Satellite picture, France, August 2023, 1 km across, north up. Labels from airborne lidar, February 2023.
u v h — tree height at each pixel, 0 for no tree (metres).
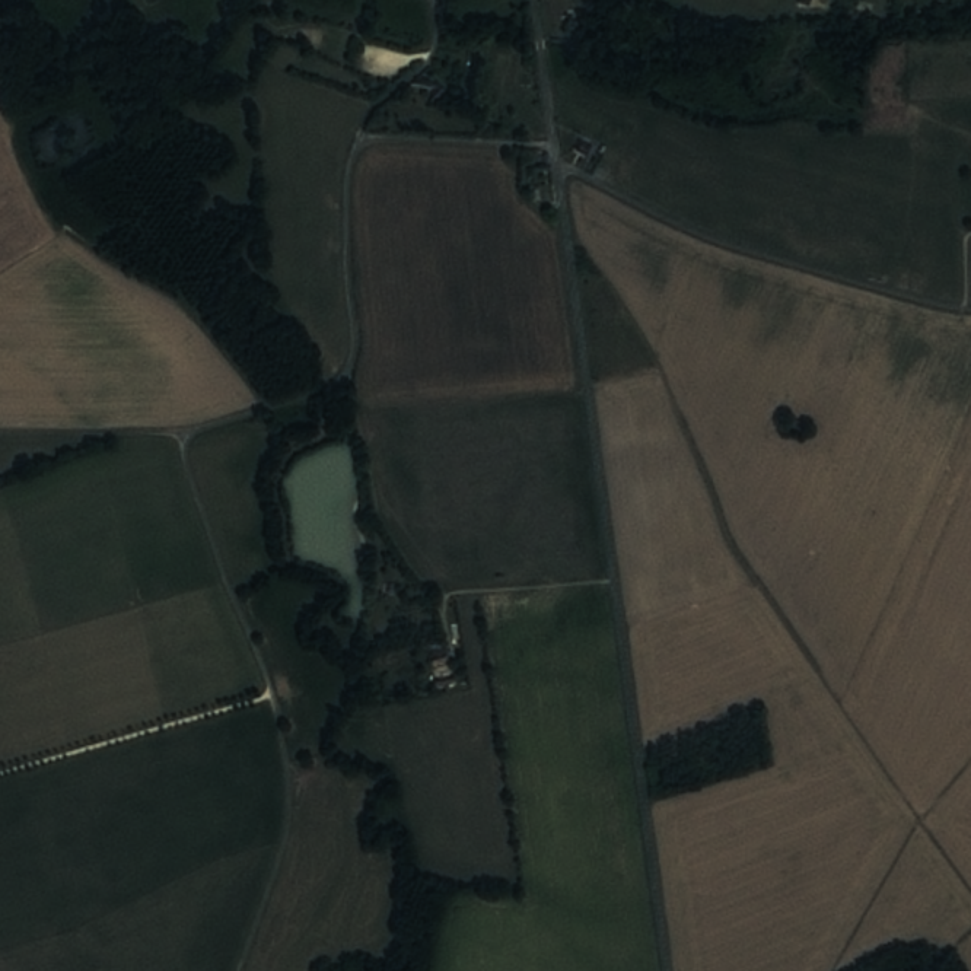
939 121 0
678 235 0
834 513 0
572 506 0
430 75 8
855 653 0
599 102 0
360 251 0
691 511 0
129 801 0
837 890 0
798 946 0
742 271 0
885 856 0
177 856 0
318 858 0
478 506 0
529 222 0
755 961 0
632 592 0
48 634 0
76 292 0
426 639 6
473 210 0
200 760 0
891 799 0
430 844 0
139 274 6
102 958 0
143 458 0
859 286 0
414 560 0
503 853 0
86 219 0
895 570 0
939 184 0
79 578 0
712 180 0
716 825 0
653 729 0
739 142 0
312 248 0
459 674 9
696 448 0
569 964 0
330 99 0
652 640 0
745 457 0
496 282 0
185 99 9
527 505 0
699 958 0
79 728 0
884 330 0
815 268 0
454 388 0
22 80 31
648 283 0
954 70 0
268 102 0
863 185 0
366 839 16
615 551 0
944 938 0
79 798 0
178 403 0
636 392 0
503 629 0
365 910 0
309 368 29
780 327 0
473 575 0
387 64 0
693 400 0
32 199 0
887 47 27
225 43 27
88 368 0
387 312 0
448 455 0
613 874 0
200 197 23
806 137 0
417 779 0
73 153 9
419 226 0
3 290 0
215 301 20
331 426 16
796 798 0
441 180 0
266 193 16
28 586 0
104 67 20
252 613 0
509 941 0
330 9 0
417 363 0
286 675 0
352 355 0
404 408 0
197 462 0
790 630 0
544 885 0
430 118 0
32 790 0
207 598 0
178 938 0
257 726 0
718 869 0
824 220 0
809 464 0
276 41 16
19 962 0
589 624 0
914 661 0
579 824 0
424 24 0
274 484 7
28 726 0
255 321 32
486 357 0
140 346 0
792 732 0
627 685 0
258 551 0
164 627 0
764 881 0
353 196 0
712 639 0
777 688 0
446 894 16
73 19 0
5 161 0
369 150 0
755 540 0
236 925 0
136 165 7
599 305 0
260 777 0
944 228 0
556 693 0
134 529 0
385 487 0
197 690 0
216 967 0
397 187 0
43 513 0
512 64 0
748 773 13
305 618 12
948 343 0
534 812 0
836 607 0
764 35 13
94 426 0
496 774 0
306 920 0
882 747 0
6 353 0
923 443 0
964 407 0
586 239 0
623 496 0
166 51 24
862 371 0
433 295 0
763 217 0
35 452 0
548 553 0
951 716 0
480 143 0
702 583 0
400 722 0
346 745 0
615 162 0
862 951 0
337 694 0
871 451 0
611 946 0
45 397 0
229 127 0
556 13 0
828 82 0
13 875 0
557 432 0
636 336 0
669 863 0
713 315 0
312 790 0
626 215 0
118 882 0
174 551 0
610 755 0
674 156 0
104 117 0
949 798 0
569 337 0
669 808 0
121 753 0
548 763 0
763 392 0
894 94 36
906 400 0
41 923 0
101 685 0
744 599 0
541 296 0
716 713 0
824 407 0
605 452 0
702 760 14
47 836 0
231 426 0
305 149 0
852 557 0
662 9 19
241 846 0
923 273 0
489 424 0
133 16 24
